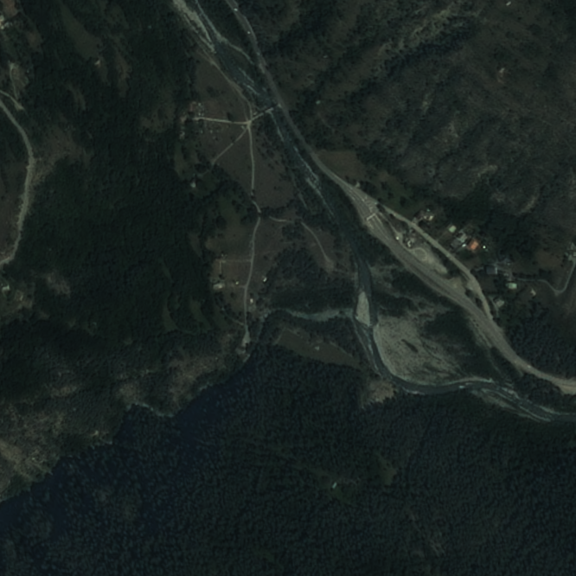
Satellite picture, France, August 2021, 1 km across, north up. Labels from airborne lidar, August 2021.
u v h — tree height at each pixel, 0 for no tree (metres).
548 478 24
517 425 10
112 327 10
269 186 0
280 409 12
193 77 13
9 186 8
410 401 19
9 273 16
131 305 9
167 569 31
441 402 15
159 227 19
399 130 6
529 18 0
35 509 9
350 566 11
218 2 8
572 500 28
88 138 14
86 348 25
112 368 17
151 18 12
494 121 8
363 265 0
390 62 11
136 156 19
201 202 14
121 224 13
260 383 16
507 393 0
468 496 21
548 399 16
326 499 18
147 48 8
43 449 7
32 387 18
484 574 28
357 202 0
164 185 21
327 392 12
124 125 17
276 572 25
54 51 10
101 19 11
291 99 0
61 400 14
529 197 8
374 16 9
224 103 0
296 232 7
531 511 19
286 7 6
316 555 28
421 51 8
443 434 22
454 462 23
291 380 9
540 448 22
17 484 20
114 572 27
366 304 0
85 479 6
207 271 16
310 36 9
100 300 23
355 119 7
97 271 25
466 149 10
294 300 5
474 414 12
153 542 27
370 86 12
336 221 6
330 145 20
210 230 13
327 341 8
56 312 17
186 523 24
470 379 0
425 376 0
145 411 21
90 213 12
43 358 22
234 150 0
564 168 9
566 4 7
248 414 19
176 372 9
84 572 13
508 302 8
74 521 24
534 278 10
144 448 16
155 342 17
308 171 0
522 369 0
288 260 9
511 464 17
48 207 5
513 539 10
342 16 9
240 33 12
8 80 8
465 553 21
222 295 10
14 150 12
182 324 14
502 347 0
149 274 13
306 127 8
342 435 18
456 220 7
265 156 10
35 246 11
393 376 0
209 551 20
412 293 7
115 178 28
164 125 9
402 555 12
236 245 0
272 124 10
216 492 32
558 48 9
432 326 6
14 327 18
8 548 14
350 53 12
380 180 0
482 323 0
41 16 16
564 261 7
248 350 11
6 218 0
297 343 0
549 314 15
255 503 23
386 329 0
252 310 0
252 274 0
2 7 12
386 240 0
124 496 13
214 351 9
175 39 20
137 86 13
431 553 14
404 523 16
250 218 11
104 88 13
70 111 14
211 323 11
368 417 19
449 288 0
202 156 9
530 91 0
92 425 15
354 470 18
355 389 10
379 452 11
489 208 6
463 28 6
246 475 15
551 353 13
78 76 16
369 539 21
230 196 23
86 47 0
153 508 24
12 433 9
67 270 8
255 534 21
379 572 16
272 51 12
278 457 6
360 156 13
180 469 28
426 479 18
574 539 20
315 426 8
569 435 11
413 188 9
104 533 22
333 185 15
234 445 10
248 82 0
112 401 15
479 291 0
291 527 27
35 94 10
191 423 14
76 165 9
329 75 12
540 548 14
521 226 18
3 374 14
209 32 0
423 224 13
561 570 22
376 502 21
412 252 0
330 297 7
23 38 7
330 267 0
